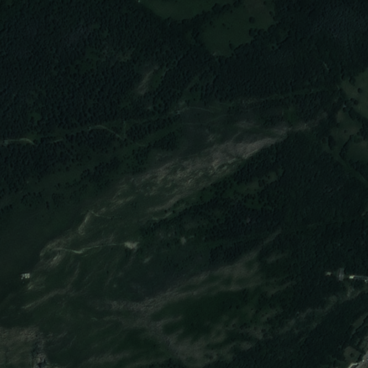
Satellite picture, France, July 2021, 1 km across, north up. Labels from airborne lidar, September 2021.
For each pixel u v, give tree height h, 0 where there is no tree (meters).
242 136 0
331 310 8
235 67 19
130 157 8
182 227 9
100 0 12
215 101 0
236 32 0
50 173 16
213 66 18
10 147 15
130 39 21
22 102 13
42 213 0
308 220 18
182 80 14
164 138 8
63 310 0
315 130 18
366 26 17
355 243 16
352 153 0
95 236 0
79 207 0
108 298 0
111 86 22
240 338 6
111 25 18
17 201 0
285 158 16
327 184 16
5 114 19
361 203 16
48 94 17
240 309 17
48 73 19
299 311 10
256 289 6
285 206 17
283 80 18
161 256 0
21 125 15
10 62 12
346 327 14
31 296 0
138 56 19
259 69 17
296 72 18
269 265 10
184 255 0
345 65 25
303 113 17
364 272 16
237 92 17
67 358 0
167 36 17
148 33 19
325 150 9
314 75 17
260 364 16
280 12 17
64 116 20
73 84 16
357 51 19
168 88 21
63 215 0
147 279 0
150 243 7
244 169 20
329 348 16
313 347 22
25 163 24
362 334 24
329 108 8
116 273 0
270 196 15
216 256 7
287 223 15
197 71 19
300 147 19
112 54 17
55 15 15
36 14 18
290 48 18
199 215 9
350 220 6
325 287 15
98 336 0
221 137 0
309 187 14
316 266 21
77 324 0
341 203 23
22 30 18
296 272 9
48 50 18
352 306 12
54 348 0
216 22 0
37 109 9
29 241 0
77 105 18
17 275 0
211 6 0
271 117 9
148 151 10
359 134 11
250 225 18
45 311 0
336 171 22
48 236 0
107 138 9
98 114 16
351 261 16
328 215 19
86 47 18
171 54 23
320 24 25
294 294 12
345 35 22
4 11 21
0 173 16
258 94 12
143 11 21
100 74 12
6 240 0
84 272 0
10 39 17
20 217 0
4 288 0
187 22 21
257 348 21
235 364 8
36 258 0
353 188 18
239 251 11
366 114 0
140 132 15
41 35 19
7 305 0
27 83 17
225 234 16
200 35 29
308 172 14
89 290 0
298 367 15
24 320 0
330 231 14
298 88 16
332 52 26
